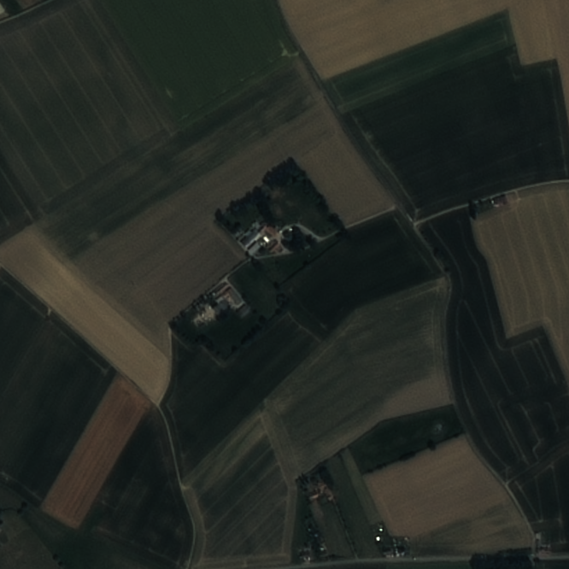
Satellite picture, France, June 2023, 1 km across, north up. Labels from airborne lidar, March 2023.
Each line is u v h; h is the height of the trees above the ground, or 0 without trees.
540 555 0
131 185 0
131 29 0
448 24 0
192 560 0
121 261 0
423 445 0
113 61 0
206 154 0
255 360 0
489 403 0
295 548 0
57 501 0
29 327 0
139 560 0
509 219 0
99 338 0
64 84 0
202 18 0
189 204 0
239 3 0
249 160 0
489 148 0
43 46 0
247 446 0
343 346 0
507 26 0
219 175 0
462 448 0
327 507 0
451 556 0
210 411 0
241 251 0
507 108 0
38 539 0
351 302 0
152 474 0
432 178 0
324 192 0
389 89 0
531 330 0
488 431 0
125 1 0
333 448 0
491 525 0
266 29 0
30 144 0
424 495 0
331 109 0
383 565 0
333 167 0
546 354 0
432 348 0
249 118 0
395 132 0
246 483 0
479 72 0
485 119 0
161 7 0
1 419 0
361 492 0
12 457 0
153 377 0
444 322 0
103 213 0
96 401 0
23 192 0
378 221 0
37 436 0
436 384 0
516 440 0
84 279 0
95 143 0
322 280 0
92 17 0
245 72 0
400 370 0
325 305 0
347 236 13
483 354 0
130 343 0
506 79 0
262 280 0
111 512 0
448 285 0
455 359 0
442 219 0
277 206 0
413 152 0
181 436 0
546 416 0
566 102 0
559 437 0
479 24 0
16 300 0
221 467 0
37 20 0
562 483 0
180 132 0
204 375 0
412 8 0
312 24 0
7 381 0
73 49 0
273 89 0
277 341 0
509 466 0
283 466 0
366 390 0
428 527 0
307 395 0
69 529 0
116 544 0
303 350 0
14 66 0
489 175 0
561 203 0
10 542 0
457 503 0
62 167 0
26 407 0
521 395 0
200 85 0
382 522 0
